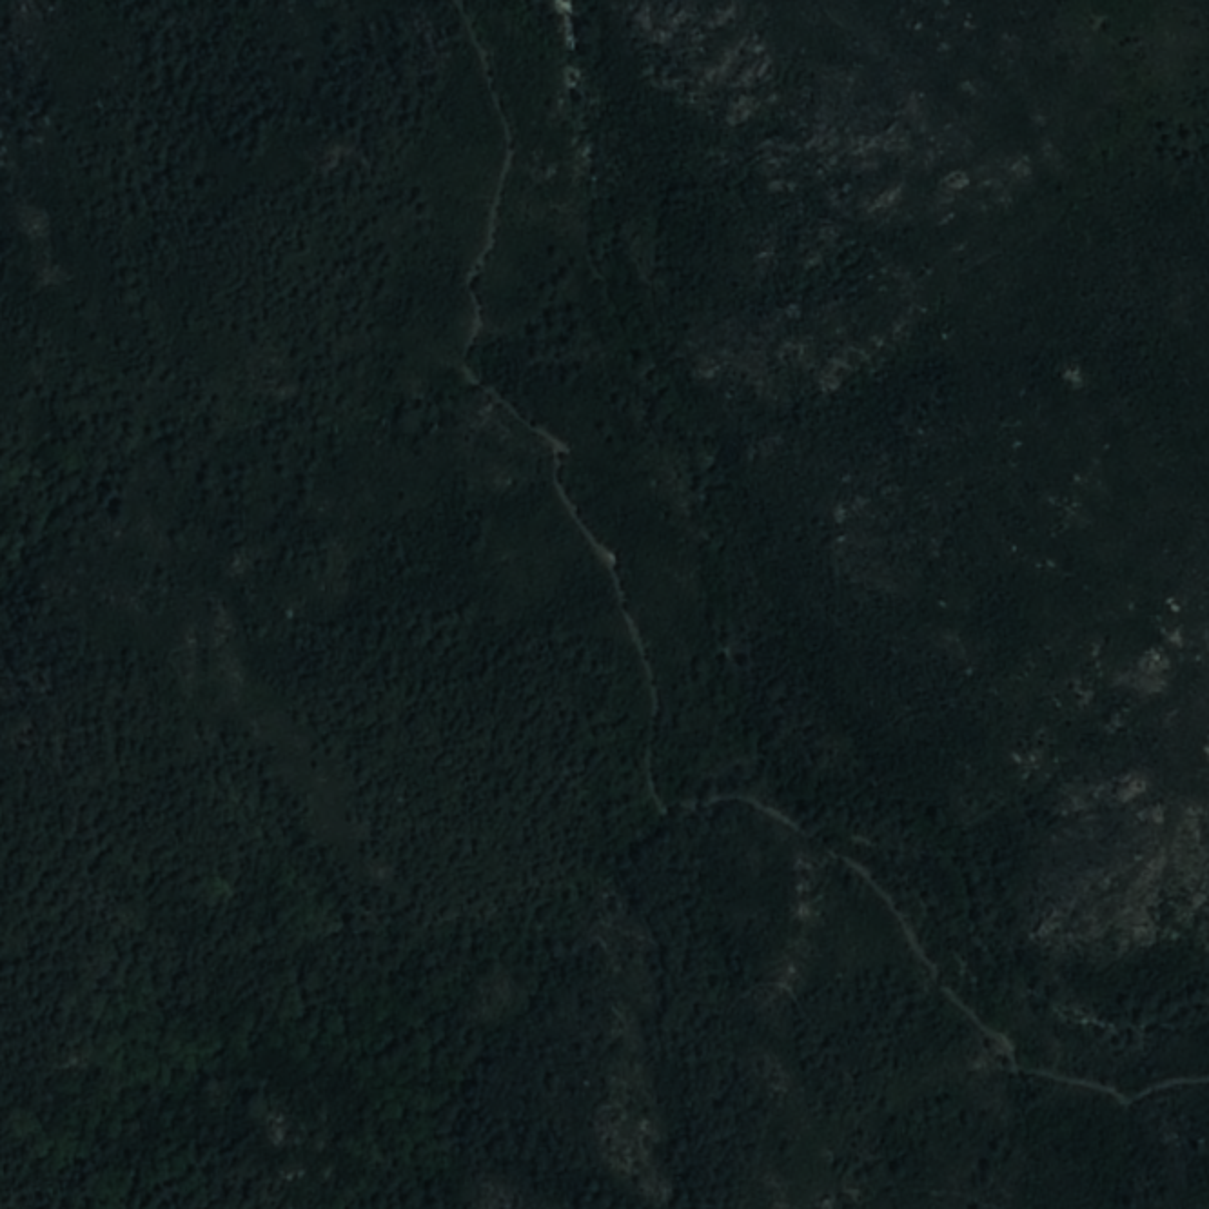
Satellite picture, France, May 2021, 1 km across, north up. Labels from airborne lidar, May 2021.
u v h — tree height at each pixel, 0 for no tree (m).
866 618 9
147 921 6
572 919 10
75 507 24
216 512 6
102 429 22
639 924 6
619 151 7
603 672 10
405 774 18
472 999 9
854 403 7
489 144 7
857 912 6
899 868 12
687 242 7
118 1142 13
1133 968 10
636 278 8
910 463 8
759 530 10
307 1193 8
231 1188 14
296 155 5
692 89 6
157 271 7
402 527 10
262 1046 19
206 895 15
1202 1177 7
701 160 6
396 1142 16
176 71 23
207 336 12
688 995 21
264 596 6
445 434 7
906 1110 6
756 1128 18
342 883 24
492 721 16
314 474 9
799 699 13
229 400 6
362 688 21
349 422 7
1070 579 7
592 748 10
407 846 16
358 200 7
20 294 9
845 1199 13
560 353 18
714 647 16
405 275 9
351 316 16
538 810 18
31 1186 18
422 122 17
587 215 9
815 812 25
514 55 8
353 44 6
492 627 8
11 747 20
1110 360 8
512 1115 7
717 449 9
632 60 6
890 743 6
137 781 15
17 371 7
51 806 13
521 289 12
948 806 12
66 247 9
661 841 24
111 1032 15
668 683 10
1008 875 11
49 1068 18
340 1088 13
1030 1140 8
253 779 20
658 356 9
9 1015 19
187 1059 17
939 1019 17
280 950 19
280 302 18
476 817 18
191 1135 13
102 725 18
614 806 20
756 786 17
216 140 5
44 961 18
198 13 18
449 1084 8
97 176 16
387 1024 12
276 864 17
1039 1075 7
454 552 9
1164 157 9
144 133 20
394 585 10
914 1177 8
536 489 13
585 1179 13
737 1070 16
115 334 10
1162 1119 7
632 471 5
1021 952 14
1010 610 12
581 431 5
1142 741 8
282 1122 8
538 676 19
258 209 14
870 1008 18
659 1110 5
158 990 23
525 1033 6
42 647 15
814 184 6
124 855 18
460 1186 10
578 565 10
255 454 6
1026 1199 7
